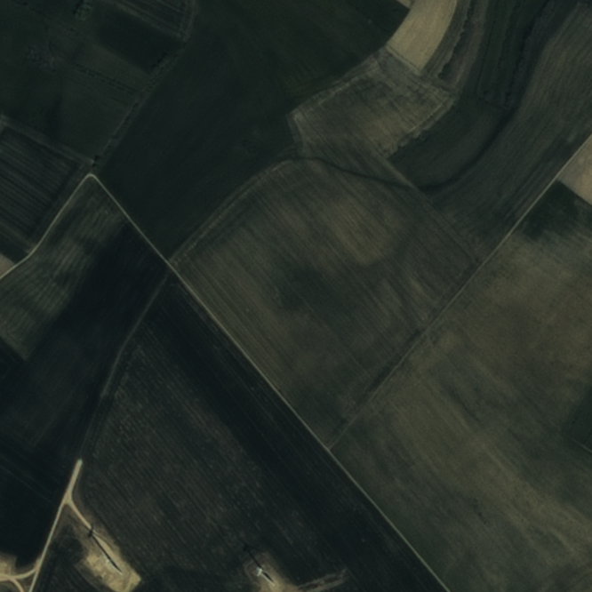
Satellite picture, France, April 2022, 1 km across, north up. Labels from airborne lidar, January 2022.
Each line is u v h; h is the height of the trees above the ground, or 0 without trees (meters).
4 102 0
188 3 0
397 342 0
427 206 0
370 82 0
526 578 0
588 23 0
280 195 0
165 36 0
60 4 0
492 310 0
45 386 0
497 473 0
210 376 0
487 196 0
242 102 0
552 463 0
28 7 9
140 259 0
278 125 0
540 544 0
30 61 6
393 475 0
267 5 0
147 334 0
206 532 0
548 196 0
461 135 0
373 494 0
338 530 0
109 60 0
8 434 0
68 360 0
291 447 0
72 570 0
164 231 0
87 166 0
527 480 0
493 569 0
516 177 0
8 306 0
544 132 0
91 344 0
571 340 0
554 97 0
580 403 0
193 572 0
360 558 0
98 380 0
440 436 0
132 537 0
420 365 0
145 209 0
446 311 0
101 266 0
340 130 0
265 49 0
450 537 0
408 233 0
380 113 0
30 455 0
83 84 0
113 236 0
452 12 0
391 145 0
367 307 0
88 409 0
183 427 0
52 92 0
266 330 0
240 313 0
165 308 0
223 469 0
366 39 0
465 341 0
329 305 0
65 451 0
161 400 0
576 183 0
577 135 0
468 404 0
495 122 0
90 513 0
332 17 0
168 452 0
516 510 0
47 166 0
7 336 0
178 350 0
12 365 0
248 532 0
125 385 0
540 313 0
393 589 0
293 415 0
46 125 0
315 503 0
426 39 0
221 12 0
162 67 9
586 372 0
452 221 0
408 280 0
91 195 0
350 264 0
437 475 0
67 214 0
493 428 0
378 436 0
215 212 0
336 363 0
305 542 0
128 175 0
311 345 0
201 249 0
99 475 0
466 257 0
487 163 0
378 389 0
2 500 0
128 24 0
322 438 0
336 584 0
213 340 0
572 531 0
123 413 0
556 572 0
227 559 0
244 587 0
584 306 0
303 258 0
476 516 0
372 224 0
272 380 0
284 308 0
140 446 0
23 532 0
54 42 0
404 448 0
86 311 0
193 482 0
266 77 0
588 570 0
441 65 0
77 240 0
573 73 0
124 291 0
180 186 0
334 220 0
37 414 0
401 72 0
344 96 0
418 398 0
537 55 0
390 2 0
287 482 0
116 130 0
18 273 0
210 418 0
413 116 0
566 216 0
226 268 0
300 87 0
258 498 0
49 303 0
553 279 0
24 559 0
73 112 0
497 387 0
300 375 0
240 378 0
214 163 0
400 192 0
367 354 0
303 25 0
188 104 0
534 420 0
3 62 0
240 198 0
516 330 0
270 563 0
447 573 0
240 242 0
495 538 0
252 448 0
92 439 0
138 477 0
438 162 0
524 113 0
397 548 0
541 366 0
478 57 0
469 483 0
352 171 0
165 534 0
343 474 0
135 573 0
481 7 0
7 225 0
